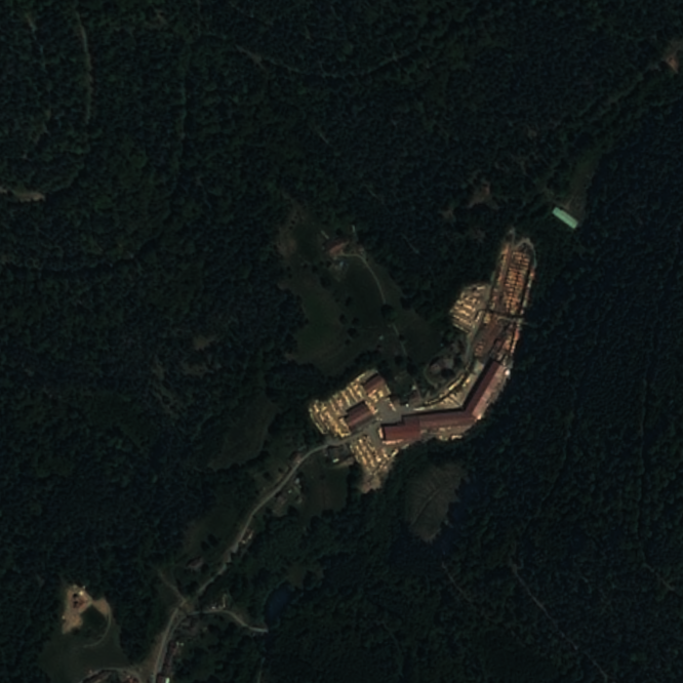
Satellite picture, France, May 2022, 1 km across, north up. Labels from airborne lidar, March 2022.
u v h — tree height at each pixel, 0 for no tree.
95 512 25
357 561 22
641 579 33
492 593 34
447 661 21
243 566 6
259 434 0
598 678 34
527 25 31
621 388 23
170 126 28
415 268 24
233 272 26
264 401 0
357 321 10
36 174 24
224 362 19
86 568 26
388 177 27
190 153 28
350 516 23
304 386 19
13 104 25
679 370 12
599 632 32
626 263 33
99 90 13
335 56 14
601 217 33
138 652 19
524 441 28
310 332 0
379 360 8
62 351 19
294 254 0
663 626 30
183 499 27
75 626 0
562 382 30
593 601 36
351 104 27
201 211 13
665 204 27
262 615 16
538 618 34
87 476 26
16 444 23
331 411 0
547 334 7
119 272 28
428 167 30
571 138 26
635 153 25
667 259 27
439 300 14
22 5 13
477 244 13
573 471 13
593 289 28
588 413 21
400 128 20
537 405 31
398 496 6
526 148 34
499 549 15
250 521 0
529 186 30
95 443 25
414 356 0
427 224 26
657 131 18
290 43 12
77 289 24
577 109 14
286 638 8
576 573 30
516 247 0
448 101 37
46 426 12
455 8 17
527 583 32
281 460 0
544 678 9
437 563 25
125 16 20
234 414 12
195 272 29
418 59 33
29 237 30
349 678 6
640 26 28
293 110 22
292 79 12
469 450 26
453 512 0
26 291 31
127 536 24
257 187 32
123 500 33
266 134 20
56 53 10
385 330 0
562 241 13
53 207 26
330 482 0
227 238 27
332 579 22
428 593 7
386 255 24
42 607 14
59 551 36
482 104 27
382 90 21
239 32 22
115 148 24
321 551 18
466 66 27
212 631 15
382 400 0
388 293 0
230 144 20
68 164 31
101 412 7
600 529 12
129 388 29
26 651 17
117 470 34
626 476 37
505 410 14
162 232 26
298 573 0
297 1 14
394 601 12
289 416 9
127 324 23
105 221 30
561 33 35
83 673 0
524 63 28
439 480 0
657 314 17
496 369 0
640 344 27
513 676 7
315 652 7
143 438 8
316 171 22
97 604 0
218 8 22
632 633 32
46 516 23
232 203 26
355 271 0
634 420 18
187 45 19
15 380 27
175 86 20
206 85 19
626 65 13
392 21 15
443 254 15
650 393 10
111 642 0
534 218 19
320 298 0
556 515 12
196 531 0
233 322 32
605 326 24
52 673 0
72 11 14
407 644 13
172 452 25
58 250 25
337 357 0
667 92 12
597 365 25
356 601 26
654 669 36
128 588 23
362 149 29
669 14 26
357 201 19
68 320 28
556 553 13
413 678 18
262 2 19
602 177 24
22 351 38
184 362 18
